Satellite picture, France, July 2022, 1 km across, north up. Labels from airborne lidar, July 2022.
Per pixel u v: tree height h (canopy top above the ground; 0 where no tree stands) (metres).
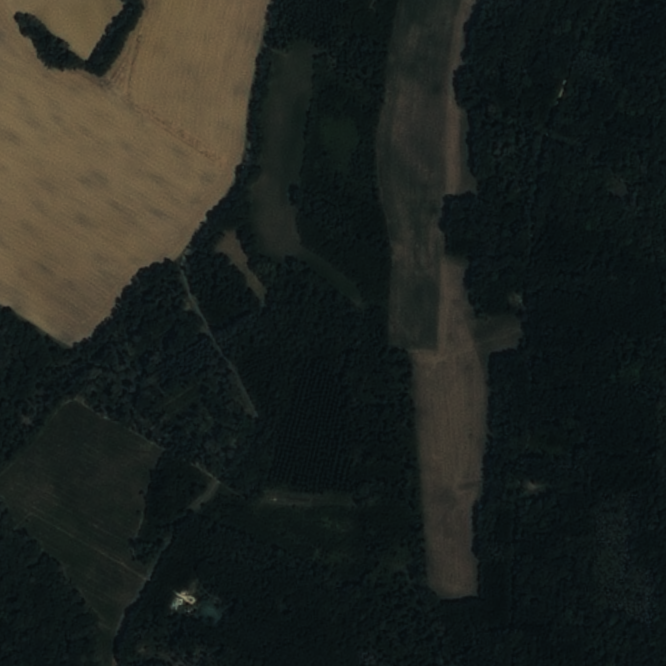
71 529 0
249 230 14
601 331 22
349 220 23
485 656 29
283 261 0
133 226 0
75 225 0
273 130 0
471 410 0
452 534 0
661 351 25
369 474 6
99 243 0
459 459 0
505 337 0
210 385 22
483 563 9
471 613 20
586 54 25
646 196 17
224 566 23
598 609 22
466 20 0
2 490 0
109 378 26
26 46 0
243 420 30
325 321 18
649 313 21
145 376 24
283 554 22
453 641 19
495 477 15
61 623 23
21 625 25
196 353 25
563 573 28
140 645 25
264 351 16
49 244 0
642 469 17
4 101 0
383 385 9
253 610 25
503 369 23
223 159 0
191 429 26
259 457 29
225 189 0
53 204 0
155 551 24
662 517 25
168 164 0
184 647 26
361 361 25
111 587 0
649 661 22
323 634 15
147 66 0
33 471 0
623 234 22
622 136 16
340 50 12
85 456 0
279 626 12
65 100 0
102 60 17
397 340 0
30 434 26
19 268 0
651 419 20
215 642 19
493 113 23
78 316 0
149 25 0
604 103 26
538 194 24
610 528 19
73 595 25
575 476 15
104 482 0
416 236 0
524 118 7
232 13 0
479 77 26
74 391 27
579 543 20
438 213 0
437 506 0
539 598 23
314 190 9
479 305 19
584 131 23
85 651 28
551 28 20
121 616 0
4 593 26
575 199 21
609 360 17
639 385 9
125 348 26
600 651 22
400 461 6
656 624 24
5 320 27
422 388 0
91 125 0
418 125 0
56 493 0
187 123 0
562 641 25
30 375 25
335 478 14
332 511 7
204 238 25
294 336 25
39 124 0
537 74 24
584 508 21
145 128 0
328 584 17
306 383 26
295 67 0
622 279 20
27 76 0
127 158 0
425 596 28
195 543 24
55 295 0
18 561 25
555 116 23
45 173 0
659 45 21
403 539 8
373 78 7
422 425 0
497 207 20
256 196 0
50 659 28
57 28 0
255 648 12
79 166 0
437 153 0
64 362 7
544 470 27
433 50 0
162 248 0
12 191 0
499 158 25
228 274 27
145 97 0
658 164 23
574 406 26
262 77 15
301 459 14
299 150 0
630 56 26
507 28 27
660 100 18
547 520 21
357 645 15
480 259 25
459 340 0
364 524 7
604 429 25
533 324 19
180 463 9
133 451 0
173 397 24
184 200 0
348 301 15
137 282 19
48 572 23
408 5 0
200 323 24
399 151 0
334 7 23
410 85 0
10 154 0
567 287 26
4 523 29
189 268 24
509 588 8
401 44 0
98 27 0
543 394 23
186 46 0
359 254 9
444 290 0
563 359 26
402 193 0
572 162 23
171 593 9
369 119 9
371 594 23
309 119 9
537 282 18
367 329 23
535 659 19
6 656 19
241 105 0
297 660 19
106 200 0
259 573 23
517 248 20
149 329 28
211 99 0
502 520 18
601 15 13
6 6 0
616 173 23
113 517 0
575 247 18
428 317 0
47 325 0
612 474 21
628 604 14
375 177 12
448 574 0
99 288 0
